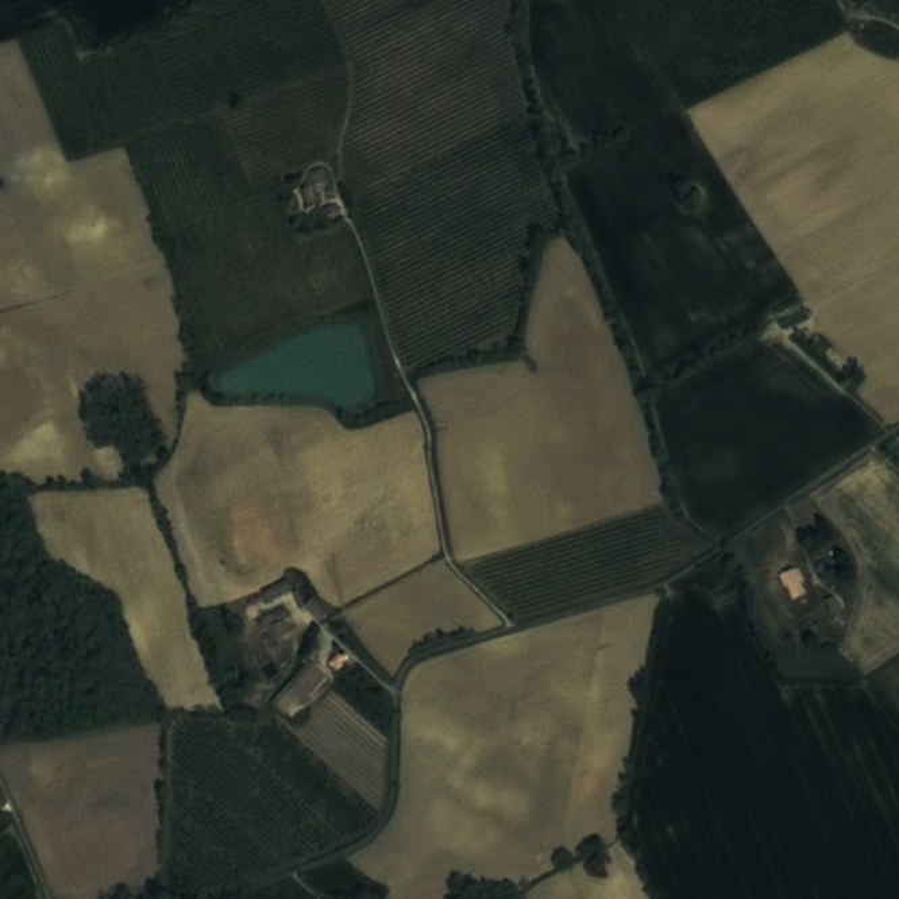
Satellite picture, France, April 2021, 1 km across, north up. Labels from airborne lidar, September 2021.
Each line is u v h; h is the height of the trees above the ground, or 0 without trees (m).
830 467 0
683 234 0
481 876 0
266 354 0
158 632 0
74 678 21
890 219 0
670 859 0
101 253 0
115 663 21
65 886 0
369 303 0
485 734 0
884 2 0
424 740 0
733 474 0
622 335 16
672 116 0
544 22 0
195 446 0
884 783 0
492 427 0
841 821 0
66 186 0
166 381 0
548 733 0
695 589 0
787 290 0
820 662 0
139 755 0
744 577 16
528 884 12
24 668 21
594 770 0
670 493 13
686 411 0
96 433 19
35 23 0
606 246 0
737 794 0
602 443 0
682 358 0
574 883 0
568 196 28
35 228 0
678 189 25
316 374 0
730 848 0
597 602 0
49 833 0
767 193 0
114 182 0
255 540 0
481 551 0
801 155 0
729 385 0
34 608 19
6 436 0
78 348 0
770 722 0
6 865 0
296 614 0
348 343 0
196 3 8
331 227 13
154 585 0
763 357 0
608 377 0
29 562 19
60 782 0
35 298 0
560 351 0
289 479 0
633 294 0
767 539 0
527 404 0
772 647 37
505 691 0
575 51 0
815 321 0
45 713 22
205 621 16
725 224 0
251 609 0
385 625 0
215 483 0
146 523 0
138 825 0
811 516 0
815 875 0
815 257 0
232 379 0
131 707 20
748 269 0
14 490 22
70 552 0
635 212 0
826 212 0
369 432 0
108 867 0
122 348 0
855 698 0
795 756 0
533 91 8
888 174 0
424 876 0
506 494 0
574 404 0
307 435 0
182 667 0
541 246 21
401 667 0
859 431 0
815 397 0
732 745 0
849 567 20
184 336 9
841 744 0
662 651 0
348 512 0
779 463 0
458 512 0
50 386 0
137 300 0
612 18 0
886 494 0
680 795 0
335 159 0
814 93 0
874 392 0
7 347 0
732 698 0
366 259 0
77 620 19
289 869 0
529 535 0
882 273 0
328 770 6
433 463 0
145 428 10
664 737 0
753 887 0
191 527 0
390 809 0
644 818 0
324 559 0
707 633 0
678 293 0
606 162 0
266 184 0
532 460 0
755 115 0
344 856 0
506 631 0
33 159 0
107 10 0
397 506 0
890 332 0
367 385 0
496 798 0
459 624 0
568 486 0
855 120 0
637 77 0
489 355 6
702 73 0
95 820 0
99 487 21
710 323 0
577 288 0
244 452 0
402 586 0
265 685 0
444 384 0
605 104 0
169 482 0
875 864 0
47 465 0
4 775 0
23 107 0
